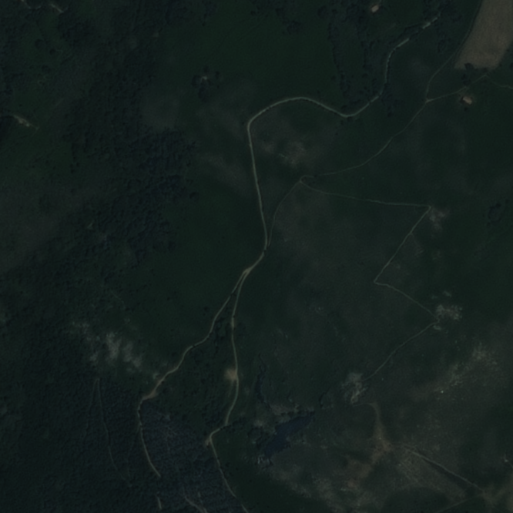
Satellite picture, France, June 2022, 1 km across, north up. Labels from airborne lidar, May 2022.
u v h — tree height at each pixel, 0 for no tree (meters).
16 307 7
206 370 6
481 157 0
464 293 0
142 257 16
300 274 0
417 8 0
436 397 0
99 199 12
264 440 12
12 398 15
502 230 0
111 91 17
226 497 20
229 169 0
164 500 18
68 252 19
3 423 20
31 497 22
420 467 0
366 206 0
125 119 26
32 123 0
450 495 0
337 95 0
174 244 16
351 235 0
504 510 0
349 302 0
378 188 0
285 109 0
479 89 0
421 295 0
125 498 13
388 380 0
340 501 0
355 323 0
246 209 0
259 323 0
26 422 15
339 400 0
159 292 0
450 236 0
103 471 10
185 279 0
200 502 17
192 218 0
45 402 19
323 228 0
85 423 7
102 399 7
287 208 0
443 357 0
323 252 0
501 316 0
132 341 0
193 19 7
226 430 8
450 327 0
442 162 0
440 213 0
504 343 0
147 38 18
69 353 18
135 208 26
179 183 22
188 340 0
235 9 0
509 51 9
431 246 0
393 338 0
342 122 7
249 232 0
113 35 6
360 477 0
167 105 0
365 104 7
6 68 22
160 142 20
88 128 10
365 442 0
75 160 11
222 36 0
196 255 0
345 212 0
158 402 8
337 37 12
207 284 0
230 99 0
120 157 17
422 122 0
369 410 0
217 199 0
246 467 0
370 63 9
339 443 0
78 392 10
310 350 0
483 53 0
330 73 0
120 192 18
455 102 0
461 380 0
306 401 0
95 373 8
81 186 6
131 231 24
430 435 0
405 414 0
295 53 0
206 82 20
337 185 0
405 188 0
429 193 0
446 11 16
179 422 16
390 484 0
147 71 21
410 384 0
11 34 10
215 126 0
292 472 0
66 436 13
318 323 0
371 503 0
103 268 7
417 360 0
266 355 0
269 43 0
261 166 0
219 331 16
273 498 0
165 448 20
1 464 10
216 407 7
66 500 17
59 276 26
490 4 0
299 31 15
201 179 0
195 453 21
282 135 0
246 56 0
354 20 11
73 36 13
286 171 0
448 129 0
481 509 0
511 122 0
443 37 9
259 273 0
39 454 21
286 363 0
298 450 0
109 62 22
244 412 0
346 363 0
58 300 10
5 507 18
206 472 18
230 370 0
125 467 9
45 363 15
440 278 0
